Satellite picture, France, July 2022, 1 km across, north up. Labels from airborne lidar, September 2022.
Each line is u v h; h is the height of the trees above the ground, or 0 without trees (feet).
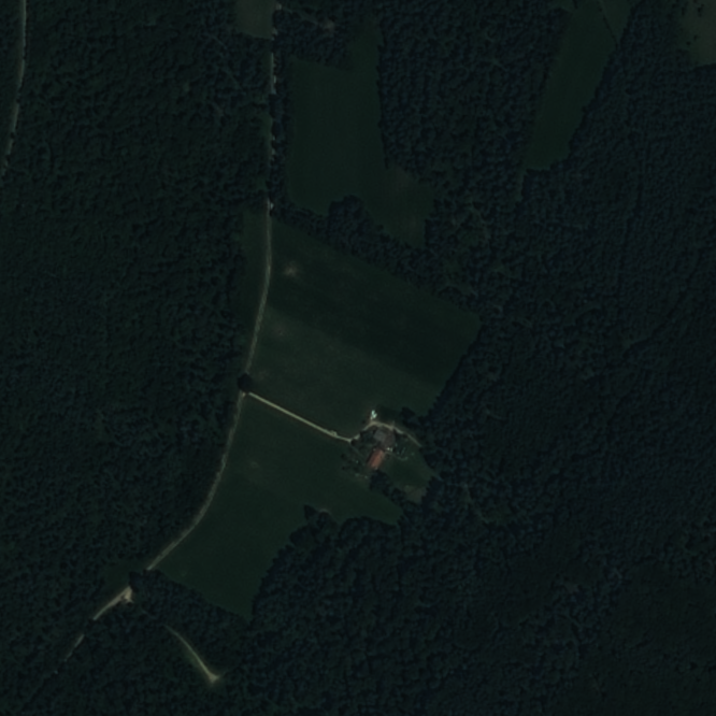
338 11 98
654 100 116
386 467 0
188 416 104
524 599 112
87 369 49
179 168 75
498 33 75
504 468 54
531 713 102
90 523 25
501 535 109
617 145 79
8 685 55
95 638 47
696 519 87
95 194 73
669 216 113
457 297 90
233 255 60
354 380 0
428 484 0
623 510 97
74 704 27
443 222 73
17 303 73
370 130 0
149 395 90
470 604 109
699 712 98
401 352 0
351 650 95
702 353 75
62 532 85
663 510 105
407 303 0
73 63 89
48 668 67
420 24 85
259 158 67
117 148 59
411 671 119
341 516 0
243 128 53
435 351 0
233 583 0
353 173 0
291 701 111
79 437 54
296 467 0
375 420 0
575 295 98
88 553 51
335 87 0
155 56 43
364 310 0
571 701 110
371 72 0
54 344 48
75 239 51
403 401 0
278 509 0
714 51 0
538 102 101
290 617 107
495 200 63
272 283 0
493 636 95
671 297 92
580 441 96
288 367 0
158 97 80
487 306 102
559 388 74
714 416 109
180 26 75
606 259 102
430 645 115
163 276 102
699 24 0
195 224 20
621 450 70
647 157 98
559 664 114
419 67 115
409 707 108
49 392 58
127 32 97
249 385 97
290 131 89
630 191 110
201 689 30
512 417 77
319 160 0
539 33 95
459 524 125
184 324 84
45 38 67
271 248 0
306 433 0
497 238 62
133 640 104
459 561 104
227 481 0
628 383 108
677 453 91
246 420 0
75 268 40
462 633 114
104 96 63
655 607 110
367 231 92
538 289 88
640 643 110
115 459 56
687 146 116
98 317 63
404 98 91
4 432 42
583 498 105
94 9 77
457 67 80
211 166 34
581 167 95
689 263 109
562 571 99
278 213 26
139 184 64
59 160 73
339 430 0
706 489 99
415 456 0
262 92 102
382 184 0
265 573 0
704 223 85
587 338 81
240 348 94
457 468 113
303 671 123
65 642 27
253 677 40
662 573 97
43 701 45
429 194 0
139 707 99
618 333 69
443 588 112
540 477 114
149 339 56
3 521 94
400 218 0
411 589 118
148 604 34
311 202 0
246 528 0
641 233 109
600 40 0
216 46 85
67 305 66
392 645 118
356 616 103
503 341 68
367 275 0
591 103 0
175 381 48
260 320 0
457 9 60
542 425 73
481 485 122
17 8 26
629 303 93
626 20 0
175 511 61
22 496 66
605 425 40
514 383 38
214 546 0
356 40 69
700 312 82
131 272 79
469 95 57
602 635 106
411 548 118
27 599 67
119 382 60
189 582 0
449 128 80
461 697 115
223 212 41
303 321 0
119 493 31
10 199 71
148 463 92
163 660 45
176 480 57
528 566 114
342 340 0
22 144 39
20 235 59
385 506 0
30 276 57
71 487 75
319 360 0
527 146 66
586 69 0
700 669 101
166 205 81
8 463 52
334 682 114
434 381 0
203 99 93
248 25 0
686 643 109
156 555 53
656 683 98
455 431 113
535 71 89
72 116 105
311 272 0
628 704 81
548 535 113
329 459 0
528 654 111
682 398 85
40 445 53
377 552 128
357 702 121
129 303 58
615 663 111
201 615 115
